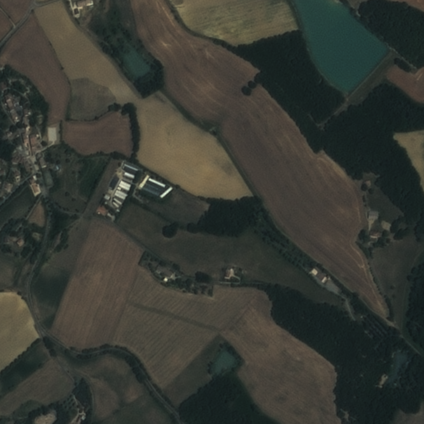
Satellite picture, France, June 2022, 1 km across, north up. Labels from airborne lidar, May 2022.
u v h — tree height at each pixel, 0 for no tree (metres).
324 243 0
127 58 0
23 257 9
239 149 0
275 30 0
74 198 7
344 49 0
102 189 0
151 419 0
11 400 0
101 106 0
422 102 0
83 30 0
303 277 0
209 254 0
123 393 0
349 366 13
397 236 15
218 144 0
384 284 0
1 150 14
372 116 16
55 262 0
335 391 13
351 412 17
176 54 0
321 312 15
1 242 13
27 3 0
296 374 0
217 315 0
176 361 0
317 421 0
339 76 0
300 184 0
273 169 0
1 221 0
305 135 12
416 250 0
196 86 0
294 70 15
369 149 19
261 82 11
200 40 0
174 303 0
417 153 0
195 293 10
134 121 17
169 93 0
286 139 0
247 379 0
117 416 0
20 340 0
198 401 16
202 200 10
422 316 18
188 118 0
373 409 26
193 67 0
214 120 0
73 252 0
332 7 0
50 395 0
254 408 24
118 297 0
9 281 0
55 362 0
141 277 0
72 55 0
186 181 0
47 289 0
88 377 0
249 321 0
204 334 0
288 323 14
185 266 0
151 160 0
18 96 9
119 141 0
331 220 0
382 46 0
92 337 0
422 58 16
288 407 0
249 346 0
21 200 0
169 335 0
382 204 0
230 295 0
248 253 0
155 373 0
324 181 0
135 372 14
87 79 0
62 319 0
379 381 16
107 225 0
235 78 0
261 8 0
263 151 0
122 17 0
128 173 0
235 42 0
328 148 14
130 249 0
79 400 13
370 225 0
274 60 10
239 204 22
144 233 0
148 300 0
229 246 0
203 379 0
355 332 21
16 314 0
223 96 0
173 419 9
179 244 0
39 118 0
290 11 0
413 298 21
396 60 19
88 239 0
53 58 0
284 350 0
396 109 28
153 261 8
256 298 0
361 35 0
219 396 20
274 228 10
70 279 0
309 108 12
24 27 0
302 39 15
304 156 0
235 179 0
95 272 0
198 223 11
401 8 19
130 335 0
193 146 0
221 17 0
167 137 0
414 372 24
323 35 0
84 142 0
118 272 0
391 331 23
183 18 0
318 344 13
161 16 0
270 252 0
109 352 9
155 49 0
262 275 0
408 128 16
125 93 0
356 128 16
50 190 8
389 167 20
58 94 0
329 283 0
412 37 13
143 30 0
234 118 0
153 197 7
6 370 10
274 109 0
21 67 0
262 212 20
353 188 0
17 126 12
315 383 0
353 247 0
